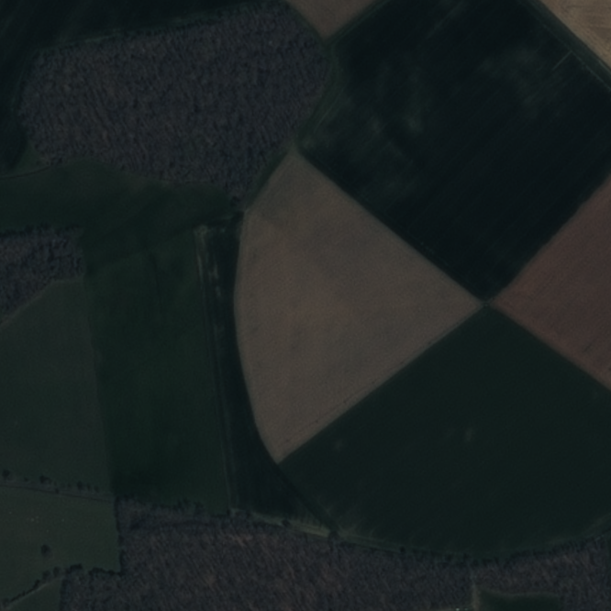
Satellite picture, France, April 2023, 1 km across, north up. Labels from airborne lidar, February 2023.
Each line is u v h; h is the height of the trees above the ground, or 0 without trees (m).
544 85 0
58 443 0
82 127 22
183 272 0
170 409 0
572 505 0
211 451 0
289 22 22
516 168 0
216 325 0
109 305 0
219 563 24
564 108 0
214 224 0
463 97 0
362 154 0
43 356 0
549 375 0
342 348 0
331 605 23
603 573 23
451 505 0
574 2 0
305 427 0
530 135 0
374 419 0
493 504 0
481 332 0
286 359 0
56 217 0
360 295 0
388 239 0
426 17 0
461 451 0
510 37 0
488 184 0
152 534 22
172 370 0
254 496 0
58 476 0
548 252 0
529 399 0
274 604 18
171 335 0
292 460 0
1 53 0
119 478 0
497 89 0
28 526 0
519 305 0
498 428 0
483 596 0
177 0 0
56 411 0
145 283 0
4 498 0
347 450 0
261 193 0
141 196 0
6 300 19
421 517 0
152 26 0
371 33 0
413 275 0
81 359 0
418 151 0
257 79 6
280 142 20
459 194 0
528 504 0
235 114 24
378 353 0
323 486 0
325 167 0
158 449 0
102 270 0
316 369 0
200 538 24
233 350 0
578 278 0
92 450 0
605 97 0
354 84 0
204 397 0
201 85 24
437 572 22
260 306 0
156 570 25
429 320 0
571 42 0
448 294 0
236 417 0
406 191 0
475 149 0
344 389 0
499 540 0
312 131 0
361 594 22
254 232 0
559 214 0
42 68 15
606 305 0
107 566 0
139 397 0
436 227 0
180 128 22
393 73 0
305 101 23
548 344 0
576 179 0
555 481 0
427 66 0
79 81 19
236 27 19
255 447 0
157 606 22
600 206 0
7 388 0
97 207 0
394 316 0
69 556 0
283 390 0
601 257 0
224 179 18
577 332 0
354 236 0
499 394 0
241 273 0
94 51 16
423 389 0
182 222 0
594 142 0
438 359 0
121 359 0
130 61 15
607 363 0
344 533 0
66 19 0
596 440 0
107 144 21
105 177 0
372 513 0
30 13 0
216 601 24
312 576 19
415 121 0
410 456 0
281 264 0
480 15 0
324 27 0
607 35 0
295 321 0
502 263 0
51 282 14
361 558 19
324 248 0
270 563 21
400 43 0
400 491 0
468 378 0
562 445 0
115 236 0
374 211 0
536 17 0
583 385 0
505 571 18
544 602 0
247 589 18
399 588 23
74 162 0
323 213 0
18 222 0
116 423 0
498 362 0
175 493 0
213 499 0
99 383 0
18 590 0
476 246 0
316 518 0
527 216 0
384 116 0
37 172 0
